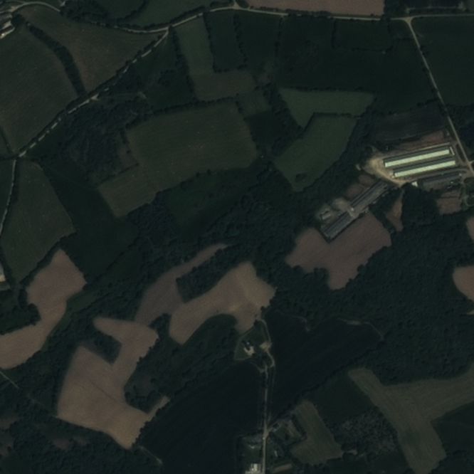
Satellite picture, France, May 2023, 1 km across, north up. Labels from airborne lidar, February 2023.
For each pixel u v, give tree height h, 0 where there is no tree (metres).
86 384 0
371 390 0
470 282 0
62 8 10
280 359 0
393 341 10
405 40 9
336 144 0
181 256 7
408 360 10
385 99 0
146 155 0
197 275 10
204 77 0
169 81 7
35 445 12
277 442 13
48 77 0
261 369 0
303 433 16
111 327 0
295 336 0
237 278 0
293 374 0
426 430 0
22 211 0
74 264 10
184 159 0
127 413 0
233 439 0
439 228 17
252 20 0
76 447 6
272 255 11
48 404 0
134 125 9
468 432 0
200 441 0
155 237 18
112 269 10
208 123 0
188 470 0
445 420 0
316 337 0
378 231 0
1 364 0
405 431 0
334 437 9
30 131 0
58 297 0
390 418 0
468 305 9
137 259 0
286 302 10
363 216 7
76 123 8
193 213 0
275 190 10
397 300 7
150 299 0
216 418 0
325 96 0
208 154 0
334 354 0
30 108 0
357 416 7
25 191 0
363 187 0
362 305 14
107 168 0
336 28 9
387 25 12
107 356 13
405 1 0
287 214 13
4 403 13
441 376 7
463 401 0
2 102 0
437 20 0
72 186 0
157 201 19
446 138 0
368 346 0
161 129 0
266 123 0
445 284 10
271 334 0
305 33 0
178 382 0
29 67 0
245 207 10
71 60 13
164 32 0
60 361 14
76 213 0
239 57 0
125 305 8
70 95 0
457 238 11
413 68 0
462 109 6
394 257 8
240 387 0
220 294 0
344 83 0
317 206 9
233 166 0
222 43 0
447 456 9
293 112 0
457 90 0
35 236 0
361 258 0
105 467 15
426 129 0
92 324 11
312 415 0
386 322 13
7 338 0
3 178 0
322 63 0
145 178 0
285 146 7
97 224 0
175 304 0
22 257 0
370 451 9
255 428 0
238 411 0
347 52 0
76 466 10
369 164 0
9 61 0
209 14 8
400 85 0
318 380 0
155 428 0
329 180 8
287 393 0
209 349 0
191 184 11
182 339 0
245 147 0
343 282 0
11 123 0
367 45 0
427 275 8
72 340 12
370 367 12
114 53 0
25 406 8
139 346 0
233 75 0
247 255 14
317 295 18
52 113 0
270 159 0
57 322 0
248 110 0
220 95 0
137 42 0
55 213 0
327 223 0
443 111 10
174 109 11
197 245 10
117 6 0
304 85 0
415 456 0
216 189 0
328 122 0
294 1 0
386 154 0
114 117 6
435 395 0
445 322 11
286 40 0
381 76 0
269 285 8
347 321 0
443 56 0
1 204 0
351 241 0
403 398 0
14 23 15
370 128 14
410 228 9
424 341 6
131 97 0
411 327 17
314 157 0
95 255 0
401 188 6
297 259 0
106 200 0
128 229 0
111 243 0
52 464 12
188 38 0
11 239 0
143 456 8
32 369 23
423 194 13
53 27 0
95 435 13
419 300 6
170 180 0
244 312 0
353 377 0
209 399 0
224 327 0
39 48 0
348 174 7
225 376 0
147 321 0
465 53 0
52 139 0
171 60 0
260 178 14
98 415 0
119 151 0
